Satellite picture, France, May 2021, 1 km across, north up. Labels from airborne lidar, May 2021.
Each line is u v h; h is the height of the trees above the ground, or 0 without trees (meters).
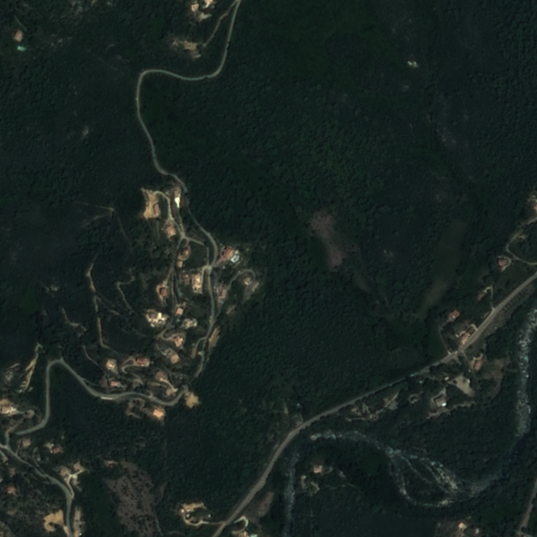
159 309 0
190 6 7
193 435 8
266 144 14
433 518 7
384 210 9
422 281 11
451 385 7
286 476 9
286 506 8
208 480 5
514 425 10
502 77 12
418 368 11
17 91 12
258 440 9
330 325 8
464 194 17
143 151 10
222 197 7
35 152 6
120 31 7
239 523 8
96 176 7
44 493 9
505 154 7
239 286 13
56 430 14
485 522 9
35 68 14
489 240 9
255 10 7
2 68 9
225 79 6
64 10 7
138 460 10
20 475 7
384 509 15
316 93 7
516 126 13
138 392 10
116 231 7
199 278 0
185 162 7
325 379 9
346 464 13
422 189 8
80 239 14
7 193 9
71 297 10
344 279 10
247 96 10
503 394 10
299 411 11
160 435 7
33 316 17
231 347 9
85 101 7
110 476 7
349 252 6
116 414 8
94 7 7
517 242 0
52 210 8
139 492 6
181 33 8
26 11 11
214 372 8
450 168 6
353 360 7
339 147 13
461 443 11
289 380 15
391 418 15
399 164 6
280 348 8
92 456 12
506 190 6
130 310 8
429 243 7
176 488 10
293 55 7
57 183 10
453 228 0
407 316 14
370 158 7
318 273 14
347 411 12
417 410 14
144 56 8
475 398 7
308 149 10
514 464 10
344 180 14
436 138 7
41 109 6
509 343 10
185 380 10
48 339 20
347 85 5
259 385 7
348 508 9
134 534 13
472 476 15
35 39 12
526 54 13
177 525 8
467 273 0
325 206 14
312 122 10
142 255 10
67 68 8
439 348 0
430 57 5
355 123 9
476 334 0
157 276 6
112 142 7
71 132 10
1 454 9
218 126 6
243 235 6
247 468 11
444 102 0
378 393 13
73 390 5
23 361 8
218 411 7
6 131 7
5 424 13
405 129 6
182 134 0
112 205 11
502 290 10
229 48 9
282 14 7
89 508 12
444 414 11
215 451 7
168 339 0
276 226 15
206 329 11
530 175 6
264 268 12
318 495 7
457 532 0
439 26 7
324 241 0
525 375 0
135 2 11
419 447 9
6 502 6
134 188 8
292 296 13
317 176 11
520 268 0
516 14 13
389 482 13
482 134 6
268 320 6
